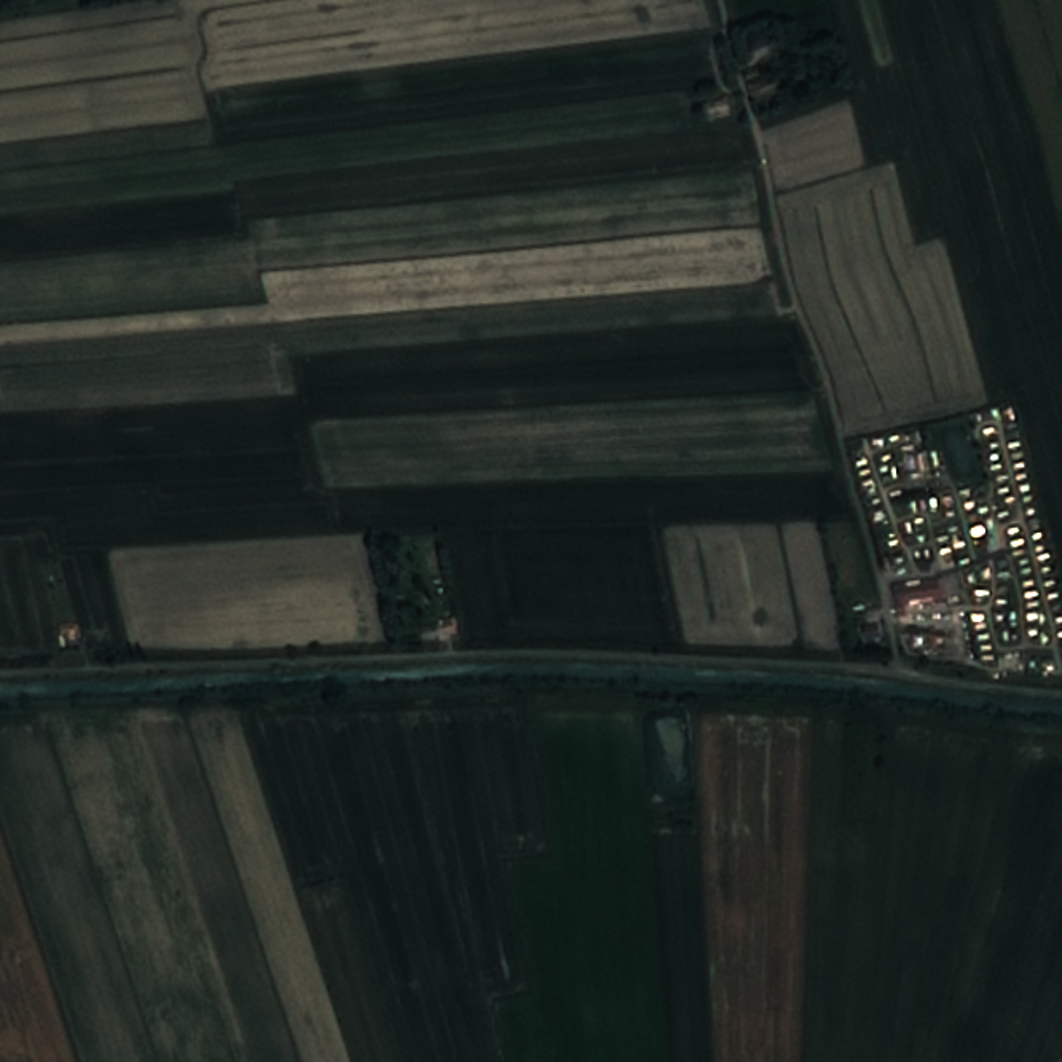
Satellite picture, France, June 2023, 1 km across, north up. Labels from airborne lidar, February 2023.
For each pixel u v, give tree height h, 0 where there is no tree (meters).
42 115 0
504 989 0
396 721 0
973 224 0
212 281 0
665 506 0
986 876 0
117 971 0
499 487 0
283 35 0
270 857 0
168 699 0
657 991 0
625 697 0
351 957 0
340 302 0
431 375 0
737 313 0
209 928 0
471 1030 0
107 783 0
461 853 0
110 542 0
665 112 0
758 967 0
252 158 0
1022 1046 0
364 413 0
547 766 0
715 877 0
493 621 0
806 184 0
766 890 0
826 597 0
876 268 0
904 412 0
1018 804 0
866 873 0
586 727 0
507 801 0
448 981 0
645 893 0
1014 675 0
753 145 0
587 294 0
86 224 0
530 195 0
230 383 0
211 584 0
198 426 0
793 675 0
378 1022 0
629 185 0
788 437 0
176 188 0
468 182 0
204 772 0
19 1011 0
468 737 0
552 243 0
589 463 0
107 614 0
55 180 0
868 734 0
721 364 0
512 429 0
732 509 0
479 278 0
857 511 0
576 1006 0
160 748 0
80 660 0
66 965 0
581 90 0
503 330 0
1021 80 0
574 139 0
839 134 0
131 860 0
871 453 0
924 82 0
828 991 0
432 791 0
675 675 0
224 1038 0
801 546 0
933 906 0
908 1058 0
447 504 0
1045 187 0
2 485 0
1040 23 0
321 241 0
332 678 0
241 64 0
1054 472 0
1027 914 0
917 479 0
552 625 0
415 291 0
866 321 0
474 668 0
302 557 0
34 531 0
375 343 0
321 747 0
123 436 0
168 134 0
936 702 7
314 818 0
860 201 0
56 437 0
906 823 0
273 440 0
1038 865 0
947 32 0
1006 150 0
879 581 0
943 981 0
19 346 0
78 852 0
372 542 14
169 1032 0
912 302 0
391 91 0
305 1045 0
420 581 8
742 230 0
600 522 0
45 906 0
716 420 0
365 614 0
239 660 0
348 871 0
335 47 0
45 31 0
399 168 0
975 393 0
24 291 0
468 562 0
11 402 0
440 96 0
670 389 0
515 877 0
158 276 0
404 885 0
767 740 0
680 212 0
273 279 0
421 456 0
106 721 0
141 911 0
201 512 0
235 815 0
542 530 0
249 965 0
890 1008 0
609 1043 0
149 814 0
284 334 0
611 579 0
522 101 0
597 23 0
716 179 0
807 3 0
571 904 0
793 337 0
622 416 0
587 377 0
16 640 0
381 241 0
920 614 0
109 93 0
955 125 0
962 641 0
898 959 0
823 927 0
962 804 0
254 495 0
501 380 0
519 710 0
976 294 0
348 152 0
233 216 0
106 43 0
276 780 0
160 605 0
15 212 0
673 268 0
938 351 0
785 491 0
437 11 0
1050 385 0
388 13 0
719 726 0
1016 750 0
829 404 0
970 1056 0
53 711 0
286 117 0
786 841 0
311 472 0
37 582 0
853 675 0
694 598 0
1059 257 0
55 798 0
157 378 0
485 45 0
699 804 0
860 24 0
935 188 0
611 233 0
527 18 0
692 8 0
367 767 0
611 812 0
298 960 0
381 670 0
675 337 0
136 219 0
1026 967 0
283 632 0
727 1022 0
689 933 0
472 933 0
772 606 0
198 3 0
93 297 0
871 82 0
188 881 0
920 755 0
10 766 0
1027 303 0
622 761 0
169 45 0
